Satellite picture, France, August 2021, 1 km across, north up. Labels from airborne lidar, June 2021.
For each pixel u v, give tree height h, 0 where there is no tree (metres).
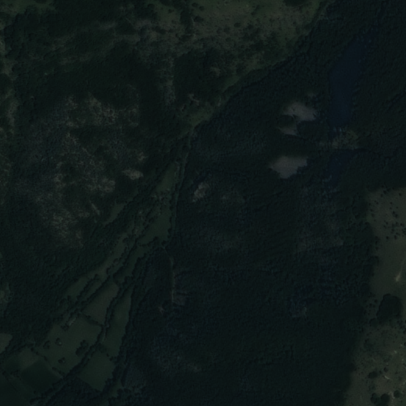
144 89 14
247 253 9
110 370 0
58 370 8
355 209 11
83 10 21
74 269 8
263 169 17
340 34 15
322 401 11
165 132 9
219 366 15
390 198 0
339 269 12
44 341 8
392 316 13
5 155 7
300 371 13
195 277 11
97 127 9
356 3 19
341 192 11
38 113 15
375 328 11
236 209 11
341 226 9
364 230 8
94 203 8
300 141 15
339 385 12
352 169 18
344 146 12
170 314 17
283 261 14
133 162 9
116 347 0
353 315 14
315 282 12
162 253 20
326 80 14
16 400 0
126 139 7
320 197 9
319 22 7
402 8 21
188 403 12
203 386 14
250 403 14
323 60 15
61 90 17
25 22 17
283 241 10
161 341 7
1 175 7
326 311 10
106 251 11
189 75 20
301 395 12
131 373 20
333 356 10
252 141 12
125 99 15
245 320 17
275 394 10
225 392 13
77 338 0
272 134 16
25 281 11
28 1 0
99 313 0
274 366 15
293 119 11
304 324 14
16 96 9
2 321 15
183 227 13
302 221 9
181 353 6
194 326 14
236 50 8
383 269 0
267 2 0
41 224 8
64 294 11
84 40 17
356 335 13
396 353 0
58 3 15
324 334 17
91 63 10
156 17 11
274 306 13
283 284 12
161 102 9
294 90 14
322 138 9
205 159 11
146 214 6
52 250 9
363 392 0
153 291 19
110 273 9
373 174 14
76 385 19
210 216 12
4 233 11
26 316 14
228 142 6
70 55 10
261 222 15
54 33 15
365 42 6
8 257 9
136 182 12
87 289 10
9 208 8
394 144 14
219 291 9
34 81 15
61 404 15
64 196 8
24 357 0
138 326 19
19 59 13
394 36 21
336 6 6
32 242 13
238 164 13
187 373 10
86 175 8
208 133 9
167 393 16
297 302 6
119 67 14
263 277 13
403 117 12
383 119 9
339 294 17
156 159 8
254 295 11
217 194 10
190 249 13
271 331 18
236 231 11
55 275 9
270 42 8
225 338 15
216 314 16
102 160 7
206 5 0
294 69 14
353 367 11
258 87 17
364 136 13
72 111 8
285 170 0
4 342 0
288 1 13
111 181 5
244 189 15
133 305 12
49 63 7
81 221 7
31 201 8
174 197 8
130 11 8
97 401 24
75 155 7
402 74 20
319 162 15
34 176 12
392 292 0
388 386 0
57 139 5
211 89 11
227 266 13
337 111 13
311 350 8
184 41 11
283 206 16
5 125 12
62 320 9
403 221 0
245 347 11
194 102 17
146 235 6
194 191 5
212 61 14
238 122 10
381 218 0
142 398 8
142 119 12
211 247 13
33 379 0
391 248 0
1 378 0
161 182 10
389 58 20
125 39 6
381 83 23
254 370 16
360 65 19
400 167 20
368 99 18
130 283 15
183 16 11
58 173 8
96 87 17
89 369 0
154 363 9
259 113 16
